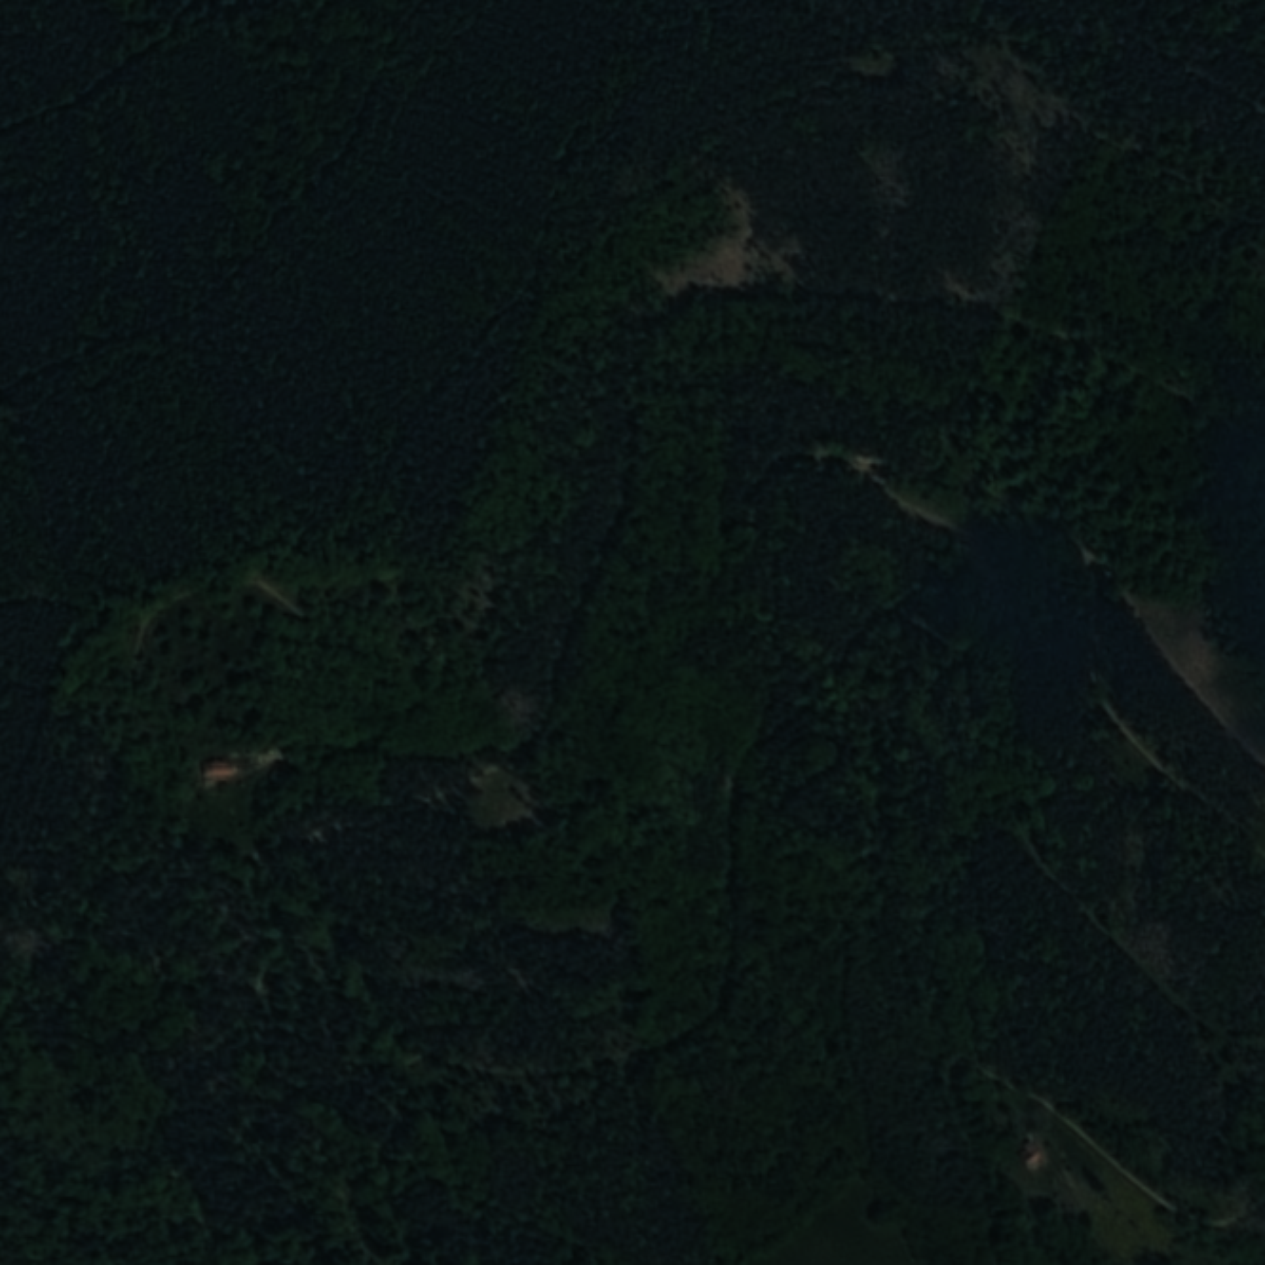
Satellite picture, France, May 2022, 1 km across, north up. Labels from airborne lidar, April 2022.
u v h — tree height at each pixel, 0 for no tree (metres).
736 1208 17
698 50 17
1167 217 9
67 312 24
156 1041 28
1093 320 13
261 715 18
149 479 19
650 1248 26
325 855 28
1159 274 17
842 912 17
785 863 27
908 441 28
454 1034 32
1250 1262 9
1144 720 26
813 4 19
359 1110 33
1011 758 8
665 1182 26
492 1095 19
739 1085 28
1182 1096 25
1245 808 27
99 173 21
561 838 26
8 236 25
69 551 16
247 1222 32
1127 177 10
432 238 15
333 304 15
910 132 23
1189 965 26
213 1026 29
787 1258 0
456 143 16
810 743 30
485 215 14
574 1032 25
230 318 18
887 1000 26
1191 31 20
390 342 15
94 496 20
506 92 13
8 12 20
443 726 19
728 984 23
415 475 18
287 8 16
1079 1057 26
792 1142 23
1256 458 30
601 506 25
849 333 25
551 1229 25
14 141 19
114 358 18
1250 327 12
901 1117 25
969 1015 32
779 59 17
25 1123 20
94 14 22
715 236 19
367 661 18
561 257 13
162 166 15
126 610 23
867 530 30
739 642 27
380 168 17
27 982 27
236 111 12
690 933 12
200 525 18
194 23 20
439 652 12
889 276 26
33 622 17
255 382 21
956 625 31
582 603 23
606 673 18
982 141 23
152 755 17
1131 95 20
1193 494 13
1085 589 29
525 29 17
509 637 27
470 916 29
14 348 23
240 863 29
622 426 21
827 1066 20
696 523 28
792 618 31
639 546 23
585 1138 28
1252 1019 22
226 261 22
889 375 27
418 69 16
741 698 25
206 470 19
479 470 21
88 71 20
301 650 15
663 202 20
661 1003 26
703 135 18
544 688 19
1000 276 27
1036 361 20
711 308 24
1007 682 29
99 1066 29
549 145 17
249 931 23
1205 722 26
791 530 33
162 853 30
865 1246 0
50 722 25
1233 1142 23
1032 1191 0
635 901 20
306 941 30
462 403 20
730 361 28
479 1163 27
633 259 24
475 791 28
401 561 20
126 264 23
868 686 33
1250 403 14
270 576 14
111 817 26
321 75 18
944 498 29
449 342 13
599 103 17
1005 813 27
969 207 24
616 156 15
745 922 19
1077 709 28
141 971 22
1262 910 22
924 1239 15
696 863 21
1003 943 26
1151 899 27
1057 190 16
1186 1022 25
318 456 22
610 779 14
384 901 26
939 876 28
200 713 18
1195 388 14
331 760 18
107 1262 26
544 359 23
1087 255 11
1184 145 14
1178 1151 25
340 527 16
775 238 25
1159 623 0
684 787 22
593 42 17
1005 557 28
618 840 20
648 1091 25
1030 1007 28
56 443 20
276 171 18
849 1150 16
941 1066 19
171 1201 27
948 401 32
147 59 13
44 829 24
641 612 22
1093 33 24
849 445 26
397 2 14
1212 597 20
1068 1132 0
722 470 30
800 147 24
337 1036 31
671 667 25
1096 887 27
